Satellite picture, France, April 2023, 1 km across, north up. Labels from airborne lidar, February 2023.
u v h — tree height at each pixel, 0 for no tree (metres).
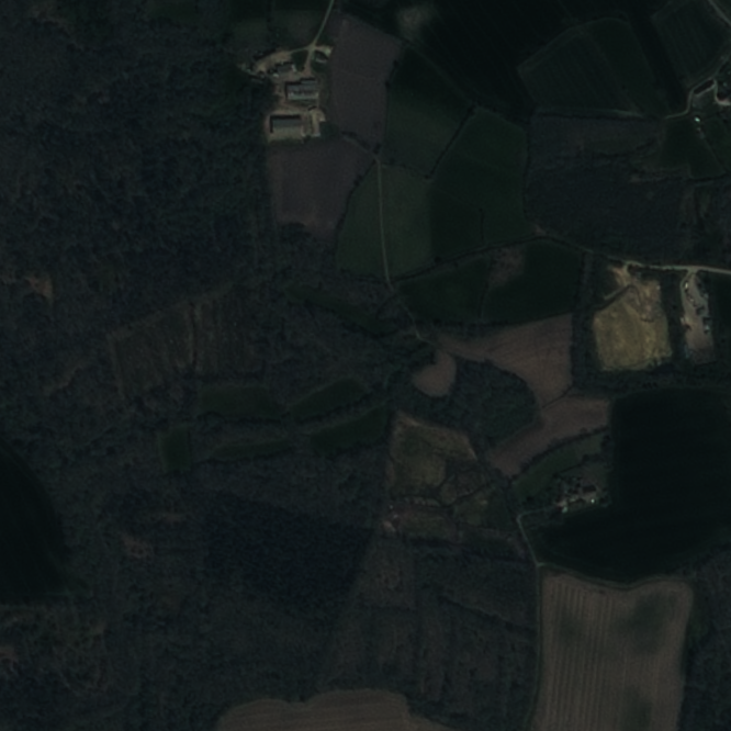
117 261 25
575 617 0
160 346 0
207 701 11
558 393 0
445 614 12
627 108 0
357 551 21
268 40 0
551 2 0
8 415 9
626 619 0
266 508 24
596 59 0
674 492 0
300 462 10
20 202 14
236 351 0
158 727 17
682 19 0
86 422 12
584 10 0
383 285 8
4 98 16
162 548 7
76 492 18
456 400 18
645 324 0
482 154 0
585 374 7
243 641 15
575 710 0
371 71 0
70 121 18
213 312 0
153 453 14
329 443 0
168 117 17
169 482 15
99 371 14
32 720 19
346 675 13
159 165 15
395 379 11
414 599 11
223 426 16
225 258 23
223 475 18
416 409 12
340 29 0
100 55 11
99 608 12
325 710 0
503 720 12
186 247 20
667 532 0
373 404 9
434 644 9
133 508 23
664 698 0
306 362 17
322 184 0
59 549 0
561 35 0
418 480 0
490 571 19
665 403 0
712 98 0
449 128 0
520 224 0
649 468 0
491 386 12
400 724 0
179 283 19
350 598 17
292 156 0
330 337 17
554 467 0
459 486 0
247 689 17
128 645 19
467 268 0
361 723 0
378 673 18
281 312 15
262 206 7
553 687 0
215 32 8
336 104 0
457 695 11
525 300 0
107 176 12
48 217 23
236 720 0
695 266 0
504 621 6
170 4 0
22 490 0
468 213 0
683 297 0
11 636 15
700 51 0
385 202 0
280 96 0
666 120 0
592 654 0
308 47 0
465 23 0
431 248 0
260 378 12
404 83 0
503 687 16
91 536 11
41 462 12
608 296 0
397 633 10
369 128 0
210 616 12
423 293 0
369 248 0
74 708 16
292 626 15
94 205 10
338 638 11
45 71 16
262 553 21
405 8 0
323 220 0
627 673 0
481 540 0
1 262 11
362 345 14
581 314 8
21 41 20
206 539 21
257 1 0
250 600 22
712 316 9
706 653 16
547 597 0
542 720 0
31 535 0
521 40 0
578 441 10
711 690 15
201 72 14
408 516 0
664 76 0
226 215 10
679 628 0
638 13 0
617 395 9
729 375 6
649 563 0
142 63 21
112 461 15
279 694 13
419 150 0
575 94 0
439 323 7
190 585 15
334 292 10
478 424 10
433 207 0
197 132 16
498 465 0
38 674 15
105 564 18
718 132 0
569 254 0
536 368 0
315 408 0
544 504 15
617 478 0
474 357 0
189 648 19
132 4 12
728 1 0
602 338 0
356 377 11
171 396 11
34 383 14
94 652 10
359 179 7
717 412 0
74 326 19
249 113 12
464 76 0
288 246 8
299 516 23
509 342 0
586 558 0
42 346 19
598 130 11
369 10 0
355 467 10
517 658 9
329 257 9
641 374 7
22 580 0
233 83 0
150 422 8
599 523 0
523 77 0
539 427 0
